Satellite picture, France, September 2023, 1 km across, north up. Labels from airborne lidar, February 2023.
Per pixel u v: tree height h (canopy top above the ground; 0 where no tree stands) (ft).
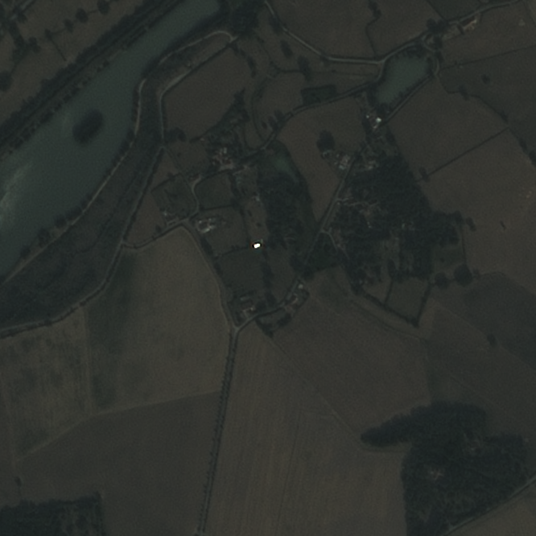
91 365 0
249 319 0
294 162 0
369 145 21
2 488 0
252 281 0
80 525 43
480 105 0
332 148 18
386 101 0
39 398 0
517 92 0
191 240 0
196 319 0
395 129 0
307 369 0
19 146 21
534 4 0
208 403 0
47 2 0
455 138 0
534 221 0
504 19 0
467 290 0
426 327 0
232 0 0
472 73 0
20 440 0
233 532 0
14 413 0
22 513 24
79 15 50
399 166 29
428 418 58
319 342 0
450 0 0
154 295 0
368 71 0
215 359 0
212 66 0
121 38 22
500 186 0
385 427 39
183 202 0
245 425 0
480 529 0
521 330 0
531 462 0
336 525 0
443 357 0
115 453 0
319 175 0
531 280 0
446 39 0
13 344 0
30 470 0
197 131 0
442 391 0
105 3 47
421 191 38
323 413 0
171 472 0
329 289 0
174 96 0
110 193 0
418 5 0
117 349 0
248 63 45
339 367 0
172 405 0
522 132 0
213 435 0
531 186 0
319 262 0
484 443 0
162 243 0
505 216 0
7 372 0
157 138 52
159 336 0
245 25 23
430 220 43
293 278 0
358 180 34
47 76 0
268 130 0
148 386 0
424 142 0
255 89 0
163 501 0
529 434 0
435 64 0
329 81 0
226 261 0
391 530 0
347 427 0
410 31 0
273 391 0
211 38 0
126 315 0
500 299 0
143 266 0
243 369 0
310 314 0
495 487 58
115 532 0
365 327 0
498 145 0
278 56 0
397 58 21
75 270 0
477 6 0
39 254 0
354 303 0
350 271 68
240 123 41
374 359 0
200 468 0
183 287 0
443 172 0
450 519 32
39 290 27
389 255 0
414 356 0
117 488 0
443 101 0
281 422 0
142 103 0
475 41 0
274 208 49
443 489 60
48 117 36
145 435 0
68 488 0
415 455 61
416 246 58
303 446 0
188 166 0
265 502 0
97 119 52
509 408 0
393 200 36
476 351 0
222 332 0
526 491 0
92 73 0
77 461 0
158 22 24
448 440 76
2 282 36
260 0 49
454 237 54
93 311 0
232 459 0
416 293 0
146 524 0
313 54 0
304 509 0
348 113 0
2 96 0
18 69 0
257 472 0
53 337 0
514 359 0
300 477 0
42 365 0
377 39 0
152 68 44
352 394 0
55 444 0
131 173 0
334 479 0
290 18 0
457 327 0
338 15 0
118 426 0
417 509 38
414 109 0
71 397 0
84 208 34
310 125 0
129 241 0
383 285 0
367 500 0
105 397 0
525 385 0
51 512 40
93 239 0
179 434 0
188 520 0
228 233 0
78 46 0
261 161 0
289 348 0
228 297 0
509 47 0
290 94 0
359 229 35
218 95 0
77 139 49
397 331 0
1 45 0
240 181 0
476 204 0
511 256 0
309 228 0
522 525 0
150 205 0
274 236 20
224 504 0
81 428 0
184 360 0
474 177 0
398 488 0
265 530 0
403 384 0
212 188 0
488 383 0
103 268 0
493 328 0
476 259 0
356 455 0
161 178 0
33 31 0
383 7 0
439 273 0
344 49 0
